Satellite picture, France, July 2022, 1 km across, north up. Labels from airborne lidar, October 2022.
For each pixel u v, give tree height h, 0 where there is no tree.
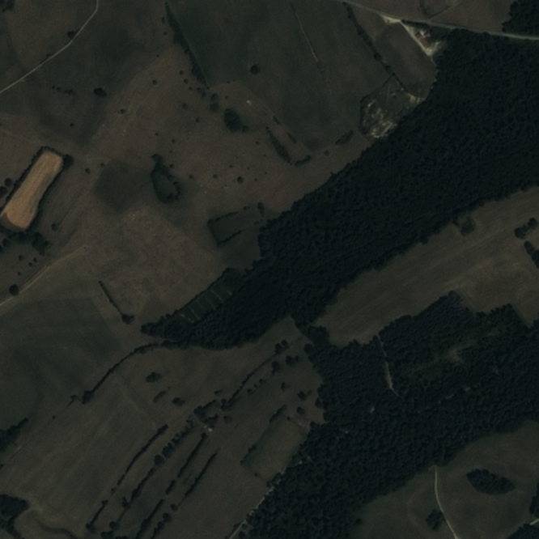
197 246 0
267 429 0
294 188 0
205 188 0
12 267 0
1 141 0
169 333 7
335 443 27
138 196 0
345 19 0
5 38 0
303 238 19
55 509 0
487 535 0
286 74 0
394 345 17
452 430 29
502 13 0
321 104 0
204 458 0
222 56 0
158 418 0
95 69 0
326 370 16
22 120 0
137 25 0
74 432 0
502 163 8
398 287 0
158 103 0
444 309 19
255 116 0
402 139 17
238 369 0
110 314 0
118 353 0
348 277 7
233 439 0
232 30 0
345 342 0
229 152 0
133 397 0
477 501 0
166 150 0
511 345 9
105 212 0
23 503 15
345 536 8
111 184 0
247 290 10
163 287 0
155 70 0
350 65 0
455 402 14
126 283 0
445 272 0
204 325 17
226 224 0
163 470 0
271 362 0
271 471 0
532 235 0
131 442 0
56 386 0
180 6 0
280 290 12
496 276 0
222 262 0
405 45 0
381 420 23
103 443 0
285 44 0
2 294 0
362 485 32
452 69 5
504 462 0
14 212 0
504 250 0
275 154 0
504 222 0
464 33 8
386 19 0
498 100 10
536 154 6
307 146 0
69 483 0
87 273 0
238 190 0
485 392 12
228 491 0
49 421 0
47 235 0
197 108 0
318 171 0
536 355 20
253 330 13
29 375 0
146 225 0
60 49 0
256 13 0
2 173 0
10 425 0
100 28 0
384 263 26
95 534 16
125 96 0
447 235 0
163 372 0
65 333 0
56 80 0
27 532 0
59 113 0
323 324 0
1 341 0
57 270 0
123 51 0
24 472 0
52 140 0
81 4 0
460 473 0
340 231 17
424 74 0
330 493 36
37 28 0
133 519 0
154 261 0
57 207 0
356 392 18
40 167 0
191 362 0
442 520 11
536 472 0
